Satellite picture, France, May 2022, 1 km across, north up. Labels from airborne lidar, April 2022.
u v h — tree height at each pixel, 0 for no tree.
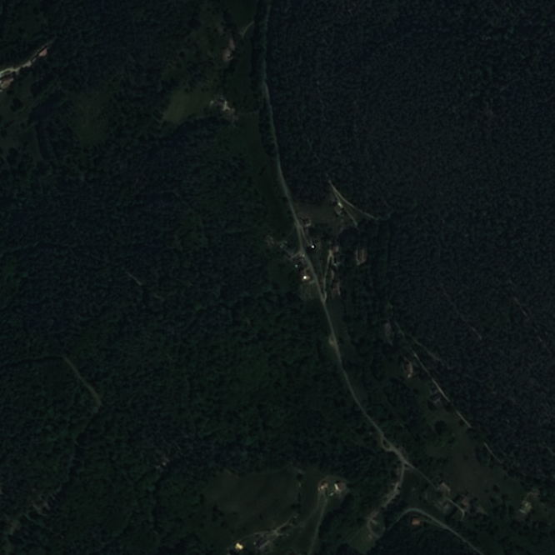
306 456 11
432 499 0
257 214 24
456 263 31
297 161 31
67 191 27
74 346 13
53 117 19
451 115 7
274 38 20
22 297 23
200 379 21
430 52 32
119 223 28
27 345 13
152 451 24
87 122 0
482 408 36
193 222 17
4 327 17
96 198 29
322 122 27
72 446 21
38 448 24
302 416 13
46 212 25
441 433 22
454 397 32
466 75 31
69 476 9
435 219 33
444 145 33
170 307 38
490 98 21
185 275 34
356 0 31
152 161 32
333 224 0
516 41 34
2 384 18
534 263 27
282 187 0
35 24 0
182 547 31
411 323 22
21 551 12
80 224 26
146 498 19
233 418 26
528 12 33
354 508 20
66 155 8
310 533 0
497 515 16
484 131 27
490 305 31
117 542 23
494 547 0
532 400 31
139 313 24
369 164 30
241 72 0
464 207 32
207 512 0
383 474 21
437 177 33
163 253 29
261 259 24
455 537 12
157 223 25
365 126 30
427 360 32
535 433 29
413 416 27
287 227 0
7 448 13
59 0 21
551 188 29
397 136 30
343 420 10
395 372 0
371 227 19
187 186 29
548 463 32
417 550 9
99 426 21
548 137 29
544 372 26
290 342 26
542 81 36
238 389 23
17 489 32
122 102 22
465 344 15
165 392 14
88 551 9
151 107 20
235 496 0
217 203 19
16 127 0
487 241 34
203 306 26
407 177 30
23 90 0
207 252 14
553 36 35
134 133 27
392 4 31
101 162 22
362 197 33
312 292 0
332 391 14
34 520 26
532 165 28
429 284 28
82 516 23
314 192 21
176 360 12
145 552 29
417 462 8
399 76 29
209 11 9
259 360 27
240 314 22
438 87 28
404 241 13
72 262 28
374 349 21
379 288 16
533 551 0
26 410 16
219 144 17
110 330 6
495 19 30
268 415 27
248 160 19
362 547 0
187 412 14
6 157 0
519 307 11
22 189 19
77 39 24
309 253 12
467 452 0
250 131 0
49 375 11
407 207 33
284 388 9
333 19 28
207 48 0
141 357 25
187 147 21
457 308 29
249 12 0
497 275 12
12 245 21
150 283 26
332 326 0
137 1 27
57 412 21
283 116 32
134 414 13
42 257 29
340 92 31
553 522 0
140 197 31
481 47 26
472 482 0
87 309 13
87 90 23
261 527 0
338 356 0
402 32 17
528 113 31
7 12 19
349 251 8
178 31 22
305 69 19
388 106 30
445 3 11
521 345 29
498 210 32
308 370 24
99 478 20
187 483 30
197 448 21
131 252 29
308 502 0
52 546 17
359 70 34
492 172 33
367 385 18
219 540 0
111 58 26
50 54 15
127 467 27
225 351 20
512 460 18
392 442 14
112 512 26
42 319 28
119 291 29
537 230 26
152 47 20
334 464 16
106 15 29
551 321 25
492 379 36
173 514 20
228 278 35
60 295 24
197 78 21
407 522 6
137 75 25
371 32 15
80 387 13
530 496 0
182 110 0
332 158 29
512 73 36
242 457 26
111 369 17
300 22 23
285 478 0
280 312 8
